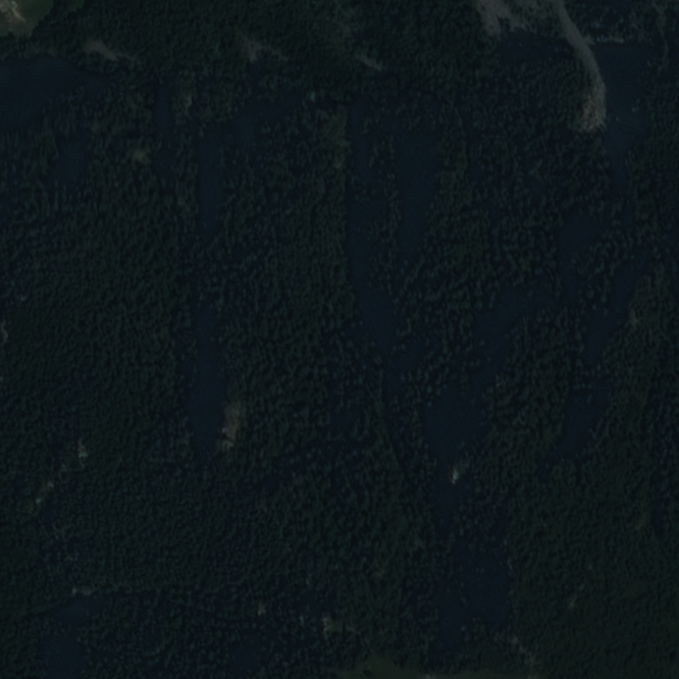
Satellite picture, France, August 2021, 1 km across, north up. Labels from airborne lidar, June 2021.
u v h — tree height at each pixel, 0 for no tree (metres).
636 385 8
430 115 20
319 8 7
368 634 9
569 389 7
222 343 13
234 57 13
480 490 11
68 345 17
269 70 15
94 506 16
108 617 15
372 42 18
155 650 22
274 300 18
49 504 11
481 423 19
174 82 8
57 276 15
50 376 17
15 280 7
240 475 15
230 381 15
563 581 8
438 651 10
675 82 25
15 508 16
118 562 18
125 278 33
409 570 10
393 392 15
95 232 18
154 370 16
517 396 18
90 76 14
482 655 7
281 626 11
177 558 22
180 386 20
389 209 10
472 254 24
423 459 14
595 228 17
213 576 14
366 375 12
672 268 12
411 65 18
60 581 15
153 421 24
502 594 10
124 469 11
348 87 7
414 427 14
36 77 13
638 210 21
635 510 10
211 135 9
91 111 21
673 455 17
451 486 8
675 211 19
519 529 10
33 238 17
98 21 15
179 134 8
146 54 13
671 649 9
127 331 25
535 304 11
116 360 27
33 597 17
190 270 10
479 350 8
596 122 0
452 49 15
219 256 18
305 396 20
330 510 13
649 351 20
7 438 13
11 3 0
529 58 17
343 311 17
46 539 15
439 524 11
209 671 15
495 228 29
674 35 6
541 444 9
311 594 7
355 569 12
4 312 8
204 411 10
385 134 17
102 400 23
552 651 6
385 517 8
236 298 15
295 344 23
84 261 23
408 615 7
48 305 19
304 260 14
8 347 10
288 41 12
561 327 12
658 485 14
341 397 29
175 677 19
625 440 16
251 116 11
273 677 11
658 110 19
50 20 17
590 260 12
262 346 19
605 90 0
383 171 14
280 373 15
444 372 19
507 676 0
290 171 22
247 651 13
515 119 10
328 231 13
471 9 10
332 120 7
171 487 15
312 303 19
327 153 24
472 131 15
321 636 8
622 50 11
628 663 8
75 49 13
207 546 17
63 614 19
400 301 18
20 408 18
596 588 7
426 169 14
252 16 7
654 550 7
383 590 10
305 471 13
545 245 19
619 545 8
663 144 15
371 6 18
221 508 11
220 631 18
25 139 6
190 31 11
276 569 9
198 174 22
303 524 19
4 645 27
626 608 7
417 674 0
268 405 14
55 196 35
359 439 8
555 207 26
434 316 23
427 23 25
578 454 12
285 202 16
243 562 10
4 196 8
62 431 17
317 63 16
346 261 13
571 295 13
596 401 24
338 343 25
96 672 17
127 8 19
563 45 12
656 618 11
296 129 20
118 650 15
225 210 20
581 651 7
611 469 10
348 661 10
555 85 18
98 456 13
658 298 15
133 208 31
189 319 17
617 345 10
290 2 10
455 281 20
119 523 17
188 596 20
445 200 18
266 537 14
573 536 10
